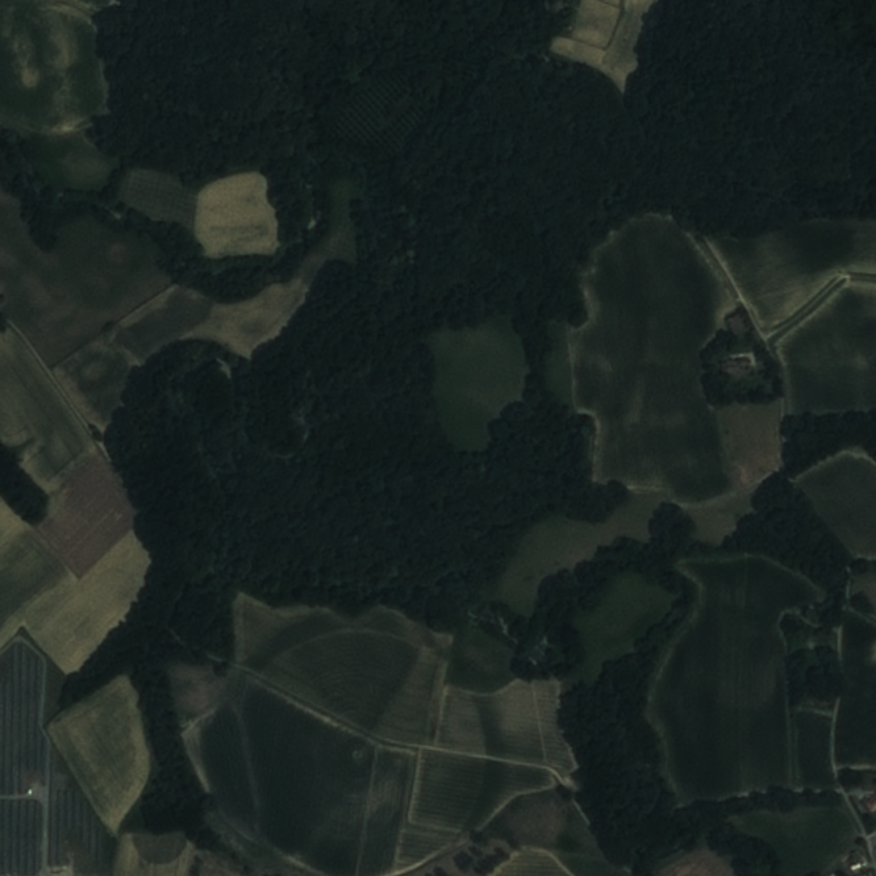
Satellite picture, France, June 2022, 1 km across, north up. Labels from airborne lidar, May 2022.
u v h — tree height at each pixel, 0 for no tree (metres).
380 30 17
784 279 0
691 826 11
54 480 0
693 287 0
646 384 0
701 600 0
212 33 21
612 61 0
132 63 25
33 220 19
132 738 0
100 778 0
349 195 0
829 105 25
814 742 0
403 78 11
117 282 0
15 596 0
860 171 15
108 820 0
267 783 0
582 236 28
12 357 0
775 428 0
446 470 26
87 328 0
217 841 13
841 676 19
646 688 15
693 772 0
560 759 0
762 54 19
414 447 20
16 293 0
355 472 14
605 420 0
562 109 16
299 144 25
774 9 19
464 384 0
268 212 0
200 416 11
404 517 23
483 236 22
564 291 18
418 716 0
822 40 23
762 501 20
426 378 26
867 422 19
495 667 0
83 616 0
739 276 0
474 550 26
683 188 23
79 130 0
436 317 22
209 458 14
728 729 0
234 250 0
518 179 24
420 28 19
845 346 0
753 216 26
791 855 0
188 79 21
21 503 25
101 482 0
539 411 13
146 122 23
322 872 0
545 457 23
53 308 0
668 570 11
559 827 0
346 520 23
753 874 26
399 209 18
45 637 0
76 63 0
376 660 0
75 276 0
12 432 0
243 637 0
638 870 14
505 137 22
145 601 16
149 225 24
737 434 0
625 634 0
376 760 0
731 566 0
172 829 10
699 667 0
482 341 0
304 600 20
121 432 18
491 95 22
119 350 0
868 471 0
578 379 0
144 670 18
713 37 25
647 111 12
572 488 24
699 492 0
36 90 0
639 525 0
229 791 0
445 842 0
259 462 26
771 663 0
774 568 0
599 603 12
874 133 14
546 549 0
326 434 14
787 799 22
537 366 15
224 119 20
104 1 0
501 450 18
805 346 0
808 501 21
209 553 25
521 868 0
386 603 20
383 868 0
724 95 24
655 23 20
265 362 26
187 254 15
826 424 16
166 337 0
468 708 0
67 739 0
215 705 0
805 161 22
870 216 17
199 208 0
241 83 22
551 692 0
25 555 0
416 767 0
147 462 21
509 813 0
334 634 0
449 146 23
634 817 29
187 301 0
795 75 18
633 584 0
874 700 0
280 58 9
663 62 24
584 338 0
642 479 0
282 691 0
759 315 0
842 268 0
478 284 20
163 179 0
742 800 12
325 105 27
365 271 18
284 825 0
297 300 0
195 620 19
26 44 0
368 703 0
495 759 0
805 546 19
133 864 0
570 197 24
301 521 28
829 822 0
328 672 0
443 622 23
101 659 17
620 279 0
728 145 16
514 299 12
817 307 0
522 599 0
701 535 0
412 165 20
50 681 0
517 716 0
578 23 0
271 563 25
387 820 0
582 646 7
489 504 24
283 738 0
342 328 18
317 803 0
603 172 23
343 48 27
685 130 20
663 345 0
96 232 0
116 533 0
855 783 22
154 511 25
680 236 0
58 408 0
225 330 0
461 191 25
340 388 21
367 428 18
